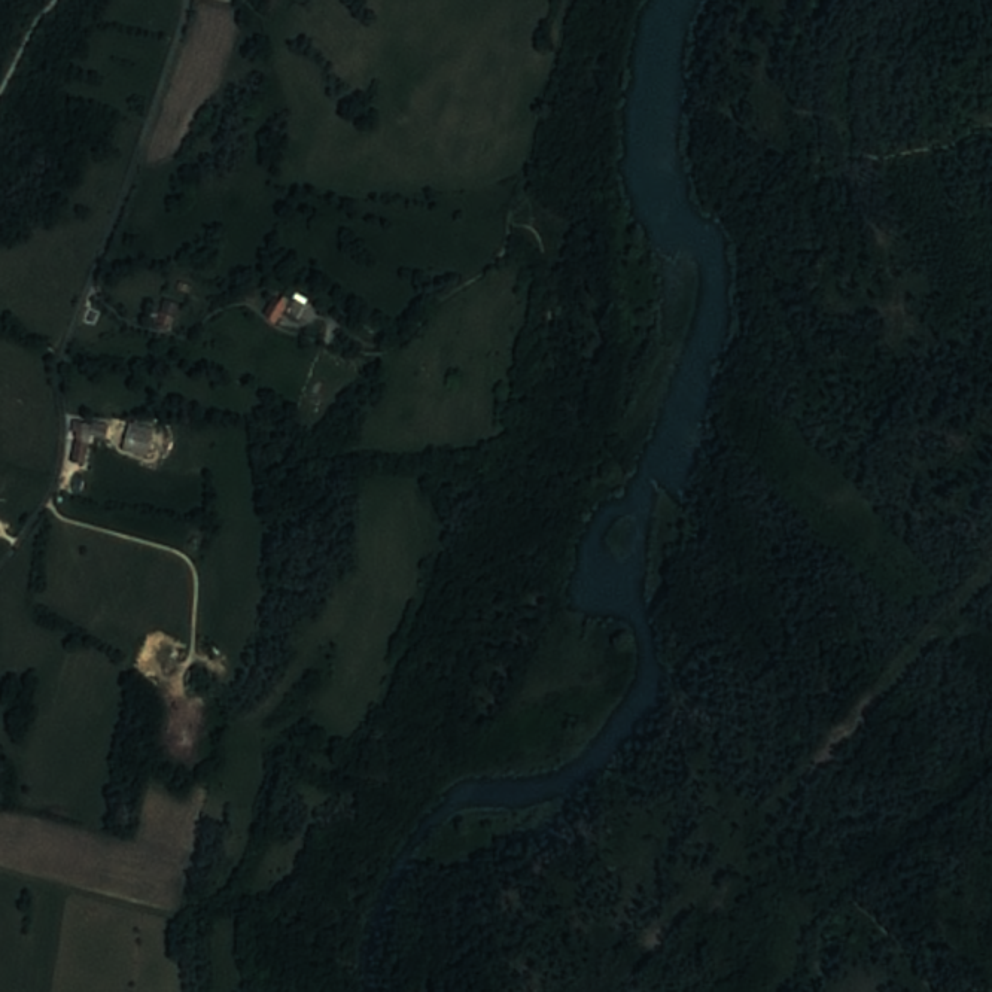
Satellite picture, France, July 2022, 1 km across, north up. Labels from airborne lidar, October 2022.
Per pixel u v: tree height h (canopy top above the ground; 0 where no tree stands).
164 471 0
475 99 0
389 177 0
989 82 7
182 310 9
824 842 22
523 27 0
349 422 16
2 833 0
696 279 0
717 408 16
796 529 27
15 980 0
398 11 0
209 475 15
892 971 10
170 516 10
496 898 20
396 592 0
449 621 21
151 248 0
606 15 20
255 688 18
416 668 20
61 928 0
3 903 0
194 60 0
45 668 0
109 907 0
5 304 0
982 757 13
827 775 21
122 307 11
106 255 6
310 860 21
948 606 17
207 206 0
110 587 0
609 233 22
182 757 0
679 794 20
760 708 26
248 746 0
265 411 16
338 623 0
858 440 18
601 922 18
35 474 0
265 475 20
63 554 0
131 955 0
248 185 0
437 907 22
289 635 23
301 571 23
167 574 0
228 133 22
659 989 9
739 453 20
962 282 7
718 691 28
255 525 0
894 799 22
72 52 10
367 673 0
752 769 15
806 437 10
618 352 15
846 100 8
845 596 20
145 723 10
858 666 22
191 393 0
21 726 14
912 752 13
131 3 0
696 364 0
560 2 8
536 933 23
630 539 0
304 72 0
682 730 23
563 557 23
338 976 25
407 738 18
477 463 9
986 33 25
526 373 19
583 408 14
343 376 0
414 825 15
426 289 21
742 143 23
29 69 9
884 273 9
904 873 30
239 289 20
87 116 15
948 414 31
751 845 6
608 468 16
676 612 23
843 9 27
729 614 22
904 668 0
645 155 0
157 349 17
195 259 13
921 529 23
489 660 20
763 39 23
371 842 20
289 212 23
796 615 24
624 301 18
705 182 19
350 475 24
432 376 0
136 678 15
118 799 24
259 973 23
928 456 29
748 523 18
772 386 23
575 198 20
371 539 0
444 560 11
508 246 7
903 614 17
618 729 0
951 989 28
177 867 0
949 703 21
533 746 0
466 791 0
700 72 12
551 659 0
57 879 0
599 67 17
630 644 15
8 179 9
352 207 15
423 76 0
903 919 20
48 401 0
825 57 19
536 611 20
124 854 0
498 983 14
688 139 10
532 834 10
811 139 7
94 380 16
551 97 8
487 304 0
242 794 0
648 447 0
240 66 0
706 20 23
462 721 24
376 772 18
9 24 9
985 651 9
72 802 0
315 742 22
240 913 19
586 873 18
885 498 12
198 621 0
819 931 13
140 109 9
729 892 0
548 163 12
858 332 22
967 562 14
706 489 19
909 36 21
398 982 15
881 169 28
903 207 7
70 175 19
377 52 0
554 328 22
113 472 0
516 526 19
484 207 0
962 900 17
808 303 27
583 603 0
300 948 27
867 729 10
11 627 0
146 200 0
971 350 10
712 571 26
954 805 18
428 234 0
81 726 0
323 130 0
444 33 0
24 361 0
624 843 0
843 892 17
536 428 24
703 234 0
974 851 20
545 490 20
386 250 0
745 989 8
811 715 21
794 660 20
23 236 9
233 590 0
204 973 21
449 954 29
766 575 17
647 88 0
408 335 16
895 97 14
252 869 8
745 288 18
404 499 0
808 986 8
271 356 0
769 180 19
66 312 0
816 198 12
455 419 0
